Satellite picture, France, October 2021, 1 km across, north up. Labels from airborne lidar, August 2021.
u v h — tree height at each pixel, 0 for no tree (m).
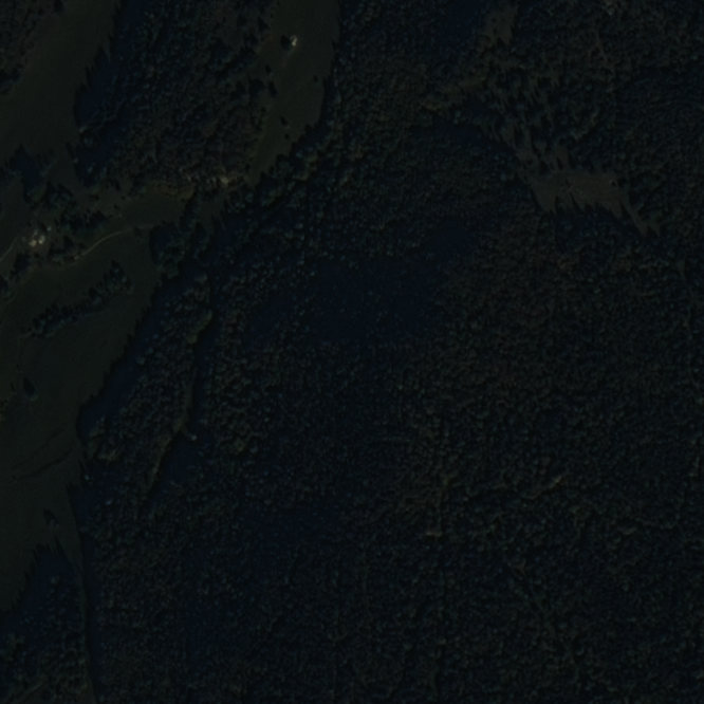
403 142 21
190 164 15
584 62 11
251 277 20
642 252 13
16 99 0
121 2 0
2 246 0
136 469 27
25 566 0
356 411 15
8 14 15
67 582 23
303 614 21
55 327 9
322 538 18
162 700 22
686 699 9
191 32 24
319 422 12
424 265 11
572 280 12
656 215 14
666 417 12
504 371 13
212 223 0
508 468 15
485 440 12
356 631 16
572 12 10
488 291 12
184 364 23
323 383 16
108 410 12
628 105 17
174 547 23
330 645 13
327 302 20
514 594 11
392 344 14
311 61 0
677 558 15
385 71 20
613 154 14
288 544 22
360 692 16
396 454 9
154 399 23
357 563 13
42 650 28
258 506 25
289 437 16
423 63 20
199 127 17
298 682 20
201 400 23
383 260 15
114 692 22
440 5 14
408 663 22
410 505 16
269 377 20
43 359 0
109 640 24
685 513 16
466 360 16
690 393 11
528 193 8
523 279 13
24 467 0
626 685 16
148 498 16
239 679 25
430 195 15
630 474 10
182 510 30
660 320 12
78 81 0
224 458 21
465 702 17
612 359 14
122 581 23
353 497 15
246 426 22
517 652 14
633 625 11
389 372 14
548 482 22
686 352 19
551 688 7
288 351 16
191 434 11
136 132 22
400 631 14
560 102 13
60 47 0
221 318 24
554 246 17
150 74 23
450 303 13
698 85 16
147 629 26
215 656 16
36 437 0
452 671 20
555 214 0
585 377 11
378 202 24
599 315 14
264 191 11
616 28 10
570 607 11
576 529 10
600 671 16
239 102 14
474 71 9
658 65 13
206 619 24
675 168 9
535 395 9
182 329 24
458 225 15
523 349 15
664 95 13
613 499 9
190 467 29
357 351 15
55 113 0
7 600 0
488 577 17
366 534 14
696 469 10
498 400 16
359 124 18
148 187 20
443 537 9
